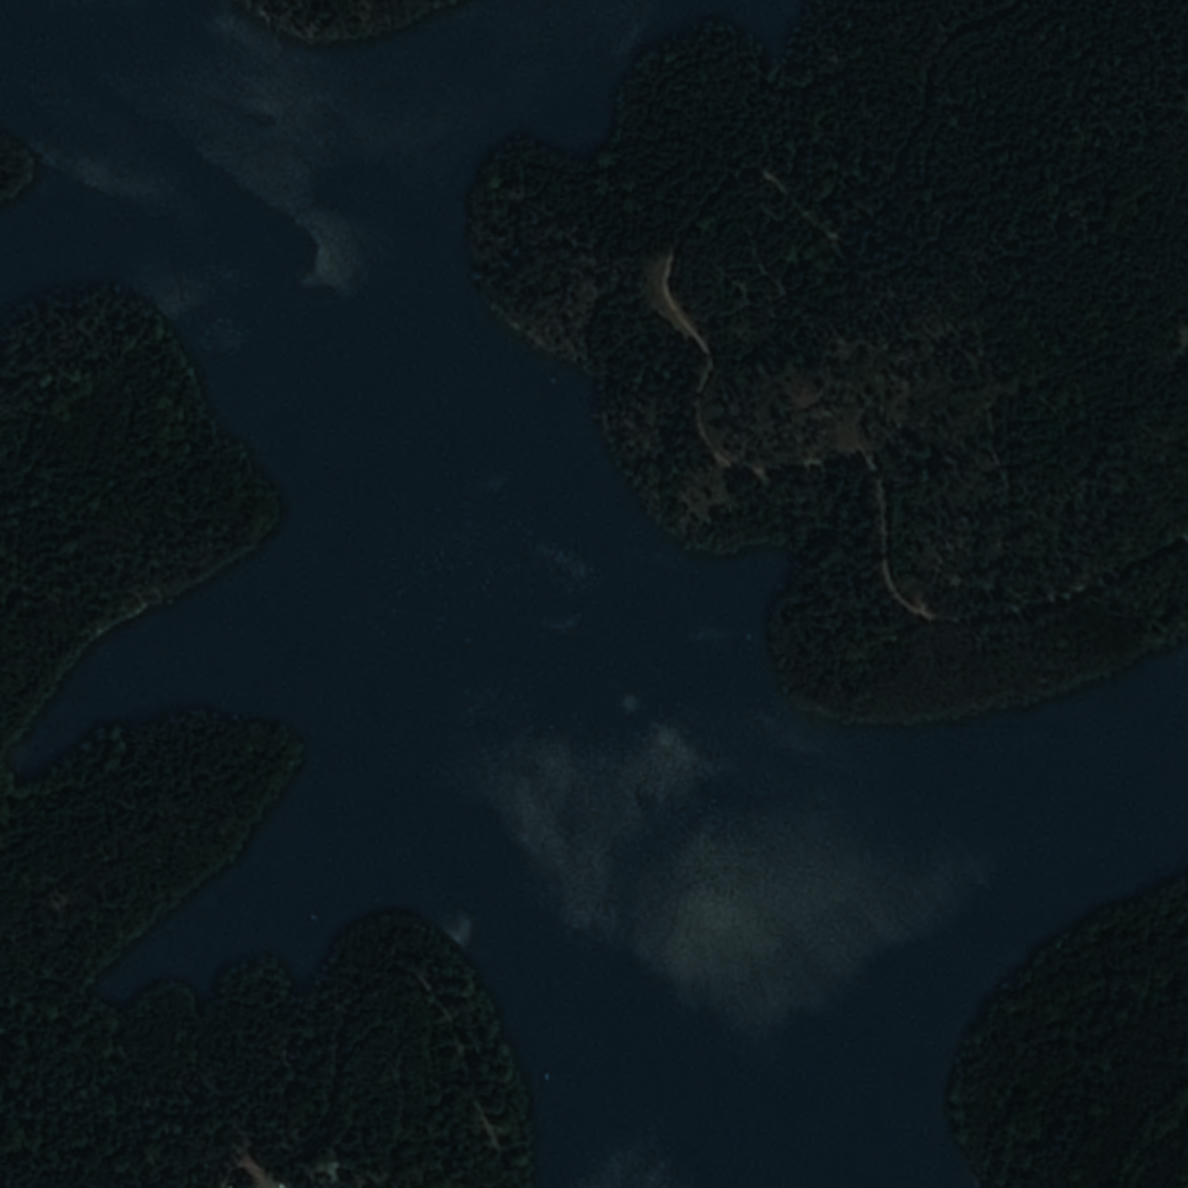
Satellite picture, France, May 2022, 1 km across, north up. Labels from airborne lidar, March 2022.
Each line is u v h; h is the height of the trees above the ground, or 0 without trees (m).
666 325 13
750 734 0
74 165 0
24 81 0
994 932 0
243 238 0
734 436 27
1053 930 0
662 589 0
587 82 0
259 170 0
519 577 0
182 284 0
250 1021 17
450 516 0
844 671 11
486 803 0
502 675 0
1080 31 25
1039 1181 26
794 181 29
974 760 0
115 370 12
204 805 11
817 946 0
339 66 0
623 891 0
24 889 11
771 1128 0
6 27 0
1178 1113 12
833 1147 0
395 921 18
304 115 0
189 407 23
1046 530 24
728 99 21
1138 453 16
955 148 21
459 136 0
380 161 0
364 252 0
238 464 17
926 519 6
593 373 7
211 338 0
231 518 10
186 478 17
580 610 0
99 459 13
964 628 15
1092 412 18
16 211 0
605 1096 0
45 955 17
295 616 0
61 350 23
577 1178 0
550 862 0
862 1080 0
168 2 0
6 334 25
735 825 0
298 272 0
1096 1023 18
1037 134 26
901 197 26
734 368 15
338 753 0
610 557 0
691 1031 0
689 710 0
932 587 25
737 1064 0
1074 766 0
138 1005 14
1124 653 11
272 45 0
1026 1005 19
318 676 0
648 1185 0
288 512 0
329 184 0
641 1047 0
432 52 0
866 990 0
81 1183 26
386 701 0
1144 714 0
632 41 0
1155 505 23
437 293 0
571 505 0
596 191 25
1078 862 0
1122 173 24
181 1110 21
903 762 0
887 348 25
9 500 25
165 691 0
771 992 0
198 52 0
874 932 0
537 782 0
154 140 0
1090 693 0
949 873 0
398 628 0
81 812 13
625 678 0
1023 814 0
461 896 0
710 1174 0
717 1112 0
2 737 17
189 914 0
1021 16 25
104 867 15
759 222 20
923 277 23
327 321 0
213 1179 17
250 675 0
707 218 12
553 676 0
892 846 0
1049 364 22
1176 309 20
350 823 0
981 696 15
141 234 0
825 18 25
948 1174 0
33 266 0
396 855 0
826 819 0
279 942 0
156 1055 19
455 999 36
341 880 0
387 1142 14
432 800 0
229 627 0
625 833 0
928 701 16
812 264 25
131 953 0
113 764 20
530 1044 0
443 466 0
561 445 0
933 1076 0
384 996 15
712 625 0
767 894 0
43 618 9
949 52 10
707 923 0
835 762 0
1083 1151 13
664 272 0
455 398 0
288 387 0
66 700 0
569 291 24
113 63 0
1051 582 9
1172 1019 23
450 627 0
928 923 0
